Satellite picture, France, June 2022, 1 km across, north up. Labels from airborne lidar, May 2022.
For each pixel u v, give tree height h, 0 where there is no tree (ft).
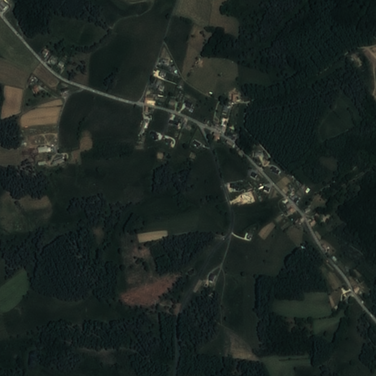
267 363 0
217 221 0
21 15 67
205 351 0
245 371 66
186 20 47
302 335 25
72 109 0
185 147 55
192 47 0
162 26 0
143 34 0
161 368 58
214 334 43
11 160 0
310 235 0
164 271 62
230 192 0
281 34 62
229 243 0
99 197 51
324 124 0
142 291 0
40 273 76
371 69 0
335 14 85
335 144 39
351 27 73
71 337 53
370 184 49
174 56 0
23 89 0
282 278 33
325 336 43
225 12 44
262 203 0
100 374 0
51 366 57
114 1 0
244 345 0
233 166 0
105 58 0
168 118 0
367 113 34
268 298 41
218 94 0
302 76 70
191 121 0
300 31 62
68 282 72
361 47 43
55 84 0
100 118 0
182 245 53
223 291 0
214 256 0
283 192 0
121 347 80
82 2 46
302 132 57
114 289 83
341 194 31
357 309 0
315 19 53
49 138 0
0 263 0
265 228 0
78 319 0
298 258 90
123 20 0
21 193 59
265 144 61
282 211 0
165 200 0
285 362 0
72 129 0
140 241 0
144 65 0
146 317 60
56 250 69
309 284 55
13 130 57
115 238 0
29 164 44
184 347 50
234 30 0
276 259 0
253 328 0
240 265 0
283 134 66
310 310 0
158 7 0
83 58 0
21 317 0
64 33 0
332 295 0
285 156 61
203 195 0
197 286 0
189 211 0
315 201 0
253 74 0
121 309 0
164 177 55
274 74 0
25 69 0
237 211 0
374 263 18
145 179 0
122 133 0
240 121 0
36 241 36
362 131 34
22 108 0
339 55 73
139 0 0
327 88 52
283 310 0
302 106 63
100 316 0
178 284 49
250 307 0
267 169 0
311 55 71
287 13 49
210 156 0
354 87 60
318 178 24
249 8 0
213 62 0
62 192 0
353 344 0
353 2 20
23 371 35
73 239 72
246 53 54
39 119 0
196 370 40
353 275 45
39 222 0
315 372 0
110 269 86
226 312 0
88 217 50
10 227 0
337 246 0
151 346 61
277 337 46
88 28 0
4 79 0
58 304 0
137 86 0
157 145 0
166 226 0
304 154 51
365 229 77
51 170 0
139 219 65
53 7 62
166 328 63
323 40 65
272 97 26
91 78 0
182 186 54
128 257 0
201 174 0
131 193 0
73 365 59
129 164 0
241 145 51
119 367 37
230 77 0
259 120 65
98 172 39
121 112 0
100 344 42
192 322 59
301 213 0
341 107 0
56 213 0
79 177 0
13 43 0
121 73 0
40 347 36
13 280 0
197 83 0
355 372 0
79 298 67
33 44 0
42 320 0
